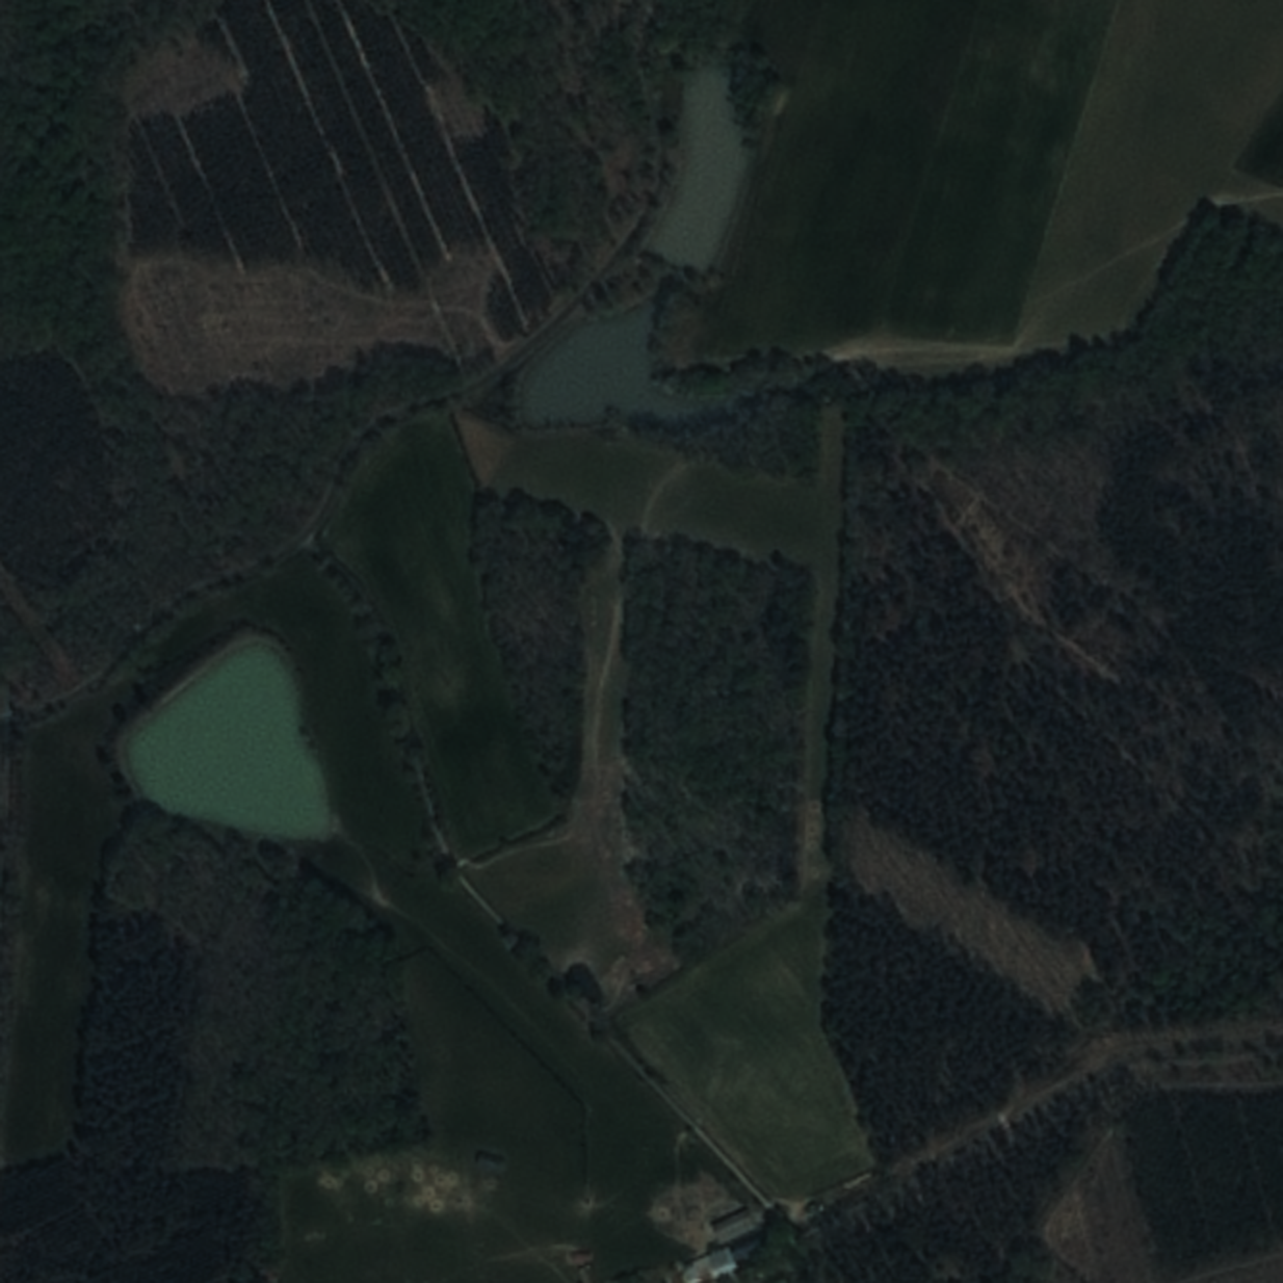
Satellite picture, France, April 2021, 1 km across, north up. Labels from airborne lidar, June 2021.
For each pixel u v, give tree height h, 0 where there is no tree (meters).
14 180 20
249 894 16
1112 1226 0
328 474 16
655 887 14
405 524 0
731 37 23
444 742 0
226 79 0
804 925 0
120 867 21
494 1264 0
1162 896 14
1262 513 14
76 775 0
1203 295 19
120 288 20
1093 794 20
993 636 22
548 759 9
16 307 19
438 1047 0
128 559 16
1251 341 17
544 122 22
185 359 0
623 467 0
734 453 23
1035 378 21
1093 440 15
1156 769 10
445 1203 0
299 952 21
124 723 13
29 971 0
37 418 9
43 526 9
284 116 12
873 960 10
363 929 15
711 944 14
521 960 14
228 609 0
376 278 14
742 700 17
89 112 25
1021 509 12
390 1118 15
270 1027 19
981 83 0
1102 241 0
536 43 24
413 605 0
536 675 15
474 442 0
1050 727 16
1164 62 0
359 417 20
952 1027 18
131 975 12
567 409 0
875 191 0
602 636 0
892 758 18
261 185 14
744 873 14
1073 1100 14
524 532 13
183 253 9
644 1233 0
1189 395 16
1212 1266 8
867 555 13
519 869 0
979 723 18
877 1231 21
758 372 19
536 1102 0
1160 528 13
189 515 22
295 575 0
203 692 0
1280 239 18
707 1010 0
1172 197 0
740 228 0
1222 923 13
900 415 17
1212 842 16
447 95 0
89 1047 18
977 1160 16
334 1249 0
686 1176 0
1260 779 13
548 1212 0
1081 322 0
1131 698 13
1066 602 12
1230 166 0
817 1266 16
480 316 0
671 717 14
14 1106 0
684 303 23
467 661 0
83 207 21
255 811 0
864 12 0
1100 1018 9
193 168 12
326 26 12
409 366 18
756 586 15
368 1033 18
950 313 0
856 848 23
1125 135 0
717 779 18
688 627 10
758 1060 0
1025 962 24
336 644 0
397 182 12
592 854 0
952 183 0
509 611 12
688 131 0
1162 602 7
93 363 23
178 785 0
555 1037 0
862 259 0
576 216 20
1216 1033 20
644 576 17
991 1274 18
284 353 0
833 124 0
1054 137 0
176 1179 8
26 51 17
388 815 0
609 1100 0
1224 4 0
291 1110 15
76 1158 15
